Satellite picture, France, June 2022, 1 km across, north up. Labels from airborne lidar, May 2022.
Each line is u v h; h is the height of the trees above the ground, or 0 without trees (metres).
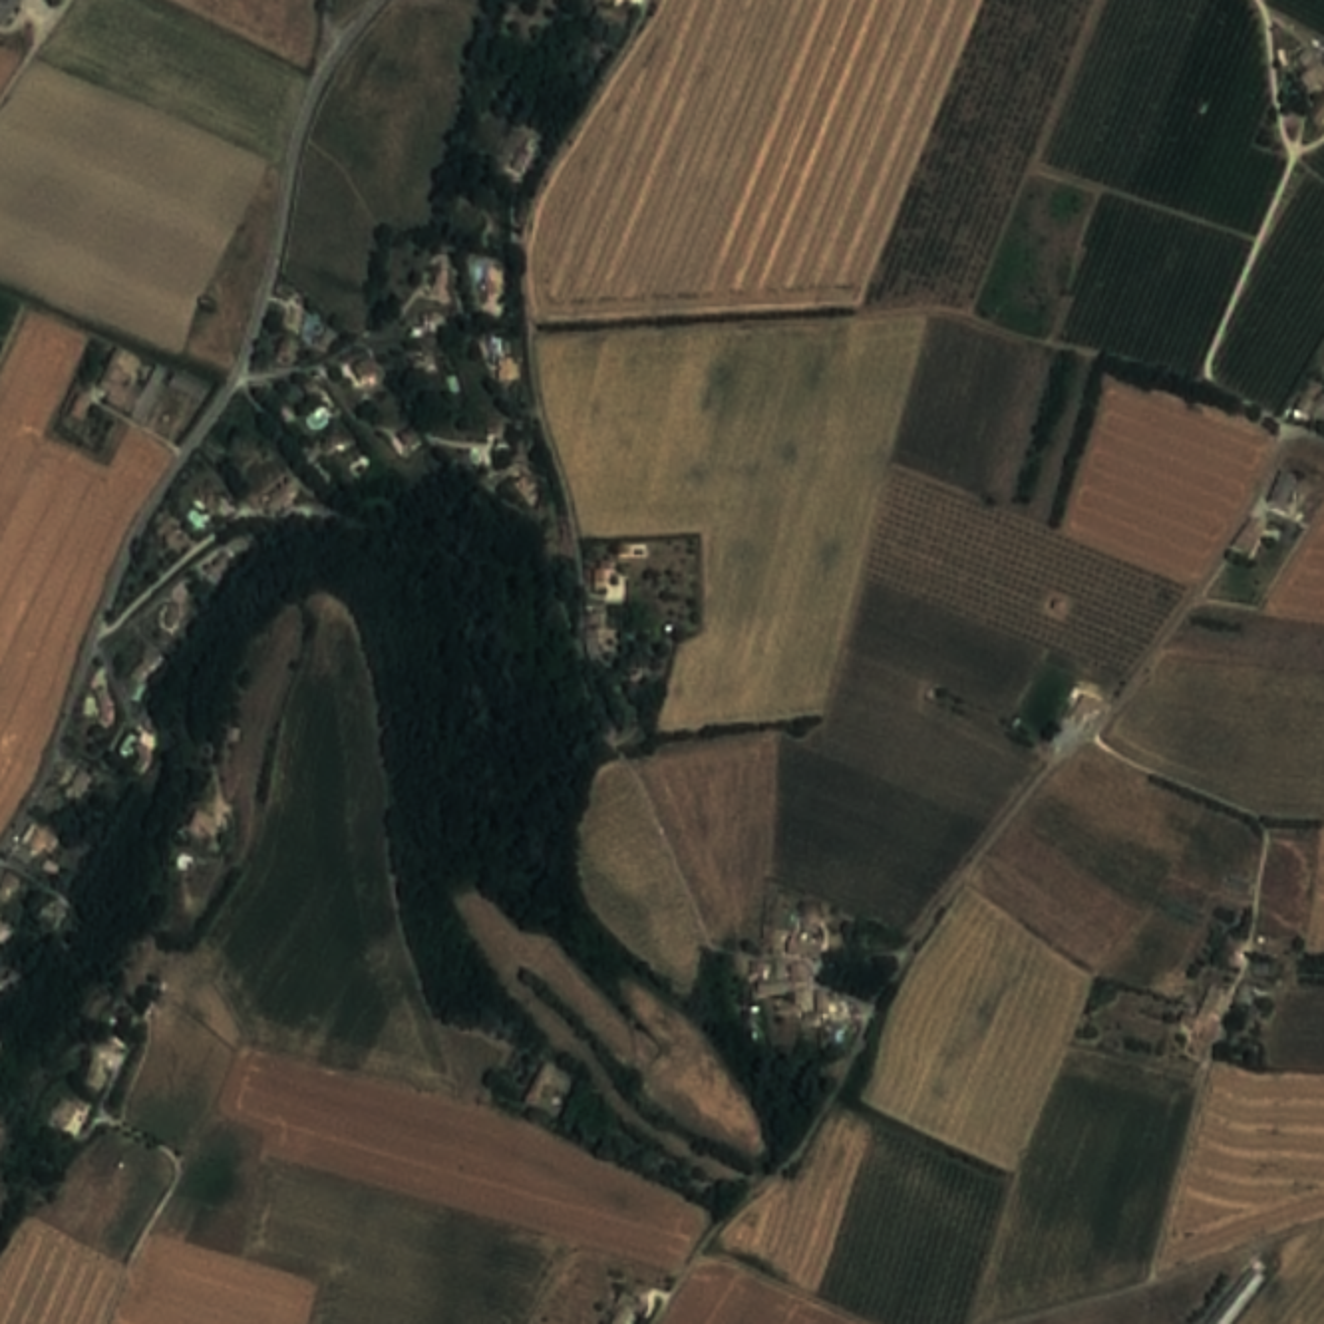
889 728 0
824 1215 0
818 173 0
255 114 0
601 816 0
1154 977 0
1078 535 0
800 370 0
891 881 0
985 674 0
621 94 0
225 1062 0
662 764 0
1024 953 0
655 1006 0
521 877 19
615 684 13
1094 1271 0
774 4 0
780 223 0
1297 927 0
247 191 0
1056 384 6
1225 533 0
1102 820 0
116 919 9
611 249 0
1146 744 0
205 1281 0
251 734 0
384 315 13
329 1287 0
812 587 0
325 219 0
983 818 0
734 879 0
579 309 0
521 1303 0
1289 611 0
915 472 0
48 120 0
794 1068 21
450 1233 0
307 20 0
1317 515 0
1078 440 6
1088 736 0
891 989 9
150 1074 0
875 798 0
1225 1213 0
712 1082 0
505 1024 16
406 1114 0
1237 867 0
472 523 29
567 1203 0
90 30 0
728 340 0
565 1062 11
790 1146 17
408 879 10
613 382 0
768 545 0
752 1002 7
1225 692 0
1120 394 0
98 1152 0
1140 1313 0
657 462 0
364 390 0
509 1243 0
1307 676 0
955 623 0
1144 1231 0
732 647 0
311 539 9
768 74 0
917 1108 0
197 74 0
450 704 20
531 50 8
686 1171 11
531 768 23
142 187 0
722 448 0
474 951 16
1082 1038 6
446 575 25
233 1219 0
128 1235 0
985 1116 0
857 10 0
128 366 0
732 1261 0
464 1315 0
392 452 0
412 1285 0
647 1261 0
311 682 0
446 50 0
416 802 17
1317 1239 0
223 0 0
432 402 16
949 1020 0
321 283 0
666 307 0
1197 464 0
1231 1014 8
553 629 10
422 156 0
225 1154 0
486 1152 0
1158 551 0
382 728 10
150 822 14
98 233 0
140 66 0
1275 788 0
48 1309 0
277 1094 0
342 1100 0
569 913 20
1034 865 0
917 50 0
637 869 0
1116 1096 0
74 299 0
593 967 7
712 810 0
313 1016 0
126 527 0
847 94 0
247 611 23
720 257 0
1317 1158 0
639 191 0
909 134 0
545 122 13
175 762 15
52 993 15
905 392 0
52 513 0
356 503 12
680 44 0
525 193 10
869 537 0
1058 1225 0
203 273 0
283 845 0
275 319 5
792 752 0
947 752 0
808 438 0
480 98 9
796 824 0
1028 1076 0
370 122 0
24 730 0
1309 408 0
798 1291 0
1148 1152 0
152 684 8
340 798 0
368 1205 0
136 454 0
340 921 0
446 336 16
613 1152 17
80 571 0
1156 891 0
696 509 0
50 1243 0
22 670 0
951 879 0
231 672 12
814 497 0
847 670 0
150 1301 0
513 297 14
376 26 0
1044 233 0
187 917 0
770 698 0
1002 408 0
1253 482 0
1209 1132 0
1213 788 0
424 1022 0
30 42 0
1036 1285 0
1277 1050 0
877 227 0
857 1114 0
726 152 0
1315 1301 0
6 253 0
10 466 0
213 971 0
